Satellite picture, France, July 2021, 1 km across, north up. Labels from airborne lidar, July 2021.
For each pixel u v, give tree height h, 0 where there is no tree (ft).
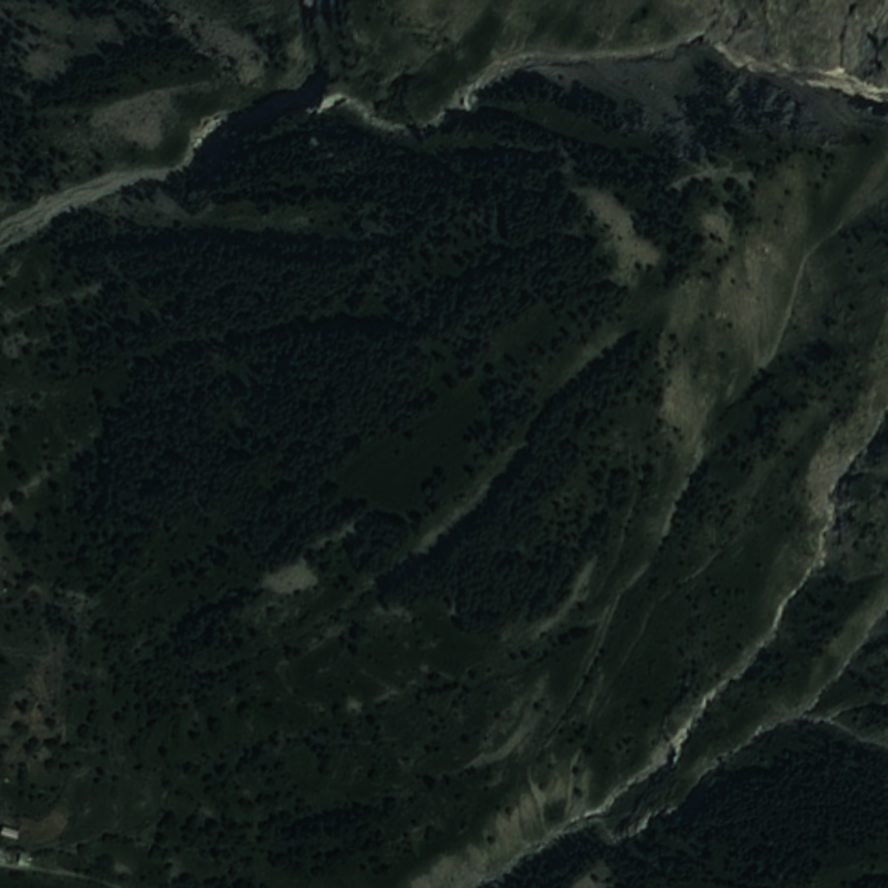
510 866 0
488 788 27
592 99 36
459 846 0
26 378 0
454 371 0
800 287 0
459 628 29
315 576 0
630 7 0
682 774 0
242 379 0
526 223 85
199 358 112
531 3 0
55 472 31
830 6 0
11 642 0
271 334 77
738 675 0
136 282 27
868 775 47
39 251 0
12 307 0
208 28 0
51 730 31
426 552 0
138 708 28
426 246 25
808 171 0
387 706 21
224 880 27
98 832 0
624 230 0
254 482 114
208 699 33
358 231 52
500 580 96
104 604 0
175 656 25
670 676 0
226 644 48
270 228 0
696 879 33
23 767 28
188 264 48
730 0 0
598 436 54
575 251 89
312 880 28
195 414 99
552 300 84
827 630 24
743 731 0
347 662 0
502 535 86
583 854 46
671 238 24
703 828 37
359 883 0
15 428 28
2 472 0
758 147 0
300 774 0
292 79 0
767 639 0
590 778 0
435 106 0
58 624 57
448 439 0
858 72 0
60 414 0
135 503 82
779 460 0
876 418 0
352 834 43
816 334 0
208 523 86
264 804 46
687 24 0
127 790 0
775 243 0
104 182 0
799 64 0
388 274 39
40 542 52
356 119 0
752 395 26
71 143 0
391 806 50
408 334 80
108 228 38
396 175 76
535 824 0
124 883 35
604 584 0
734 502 25
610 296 77
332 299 106
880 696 35
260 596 22
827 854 44
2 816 0
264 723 0
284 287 102
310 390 91
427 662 0
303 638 0
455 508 0
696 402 0
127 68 39
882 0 0
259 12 0
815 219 0
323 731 26
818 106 0
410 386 89
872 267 0
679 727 0
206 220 0
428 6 0
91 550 33
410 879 0
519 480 80
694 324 0
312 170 58
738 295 0
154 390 99
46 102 39
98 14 63
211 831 56
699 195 69
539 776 0
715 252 0
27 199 27
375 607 0
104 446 54
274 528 99
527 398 40
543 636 21
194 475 116
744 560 0
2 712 0
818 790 58
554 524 37
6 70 25
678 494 0
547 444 94
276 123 96
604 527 94
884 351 0
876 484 0
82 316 62
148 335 84
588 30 0
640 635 0
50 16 0
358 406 106
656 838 38
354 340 95
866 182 0
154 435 38
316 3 0
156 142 0
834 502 0
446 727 21
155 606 0
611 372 62
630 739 34
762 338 0
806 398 29
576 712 0
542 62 0
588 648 0
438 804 0
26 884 0
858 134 0
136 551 62
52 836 0
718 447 0
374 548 85
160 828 31
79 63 32
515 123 64
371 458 0
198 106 0
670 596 0
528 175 81
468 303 73
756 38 0
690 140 0
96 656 0
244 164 52
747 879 53
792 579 0
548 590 84
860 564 0
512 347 0
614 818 0
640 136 0
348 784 0
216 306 101
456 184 74
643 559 0
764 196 0
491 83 0
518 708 0
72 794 0
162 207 0
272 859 37
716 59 0
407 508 0
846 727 0
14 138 46
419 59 0
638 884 39
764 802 66
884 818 40
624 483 52
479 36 0
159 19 30
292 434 102
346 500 0
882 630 0
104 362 44
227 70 31
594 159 42
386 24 0
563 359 0
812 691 0
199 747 0
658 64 0
